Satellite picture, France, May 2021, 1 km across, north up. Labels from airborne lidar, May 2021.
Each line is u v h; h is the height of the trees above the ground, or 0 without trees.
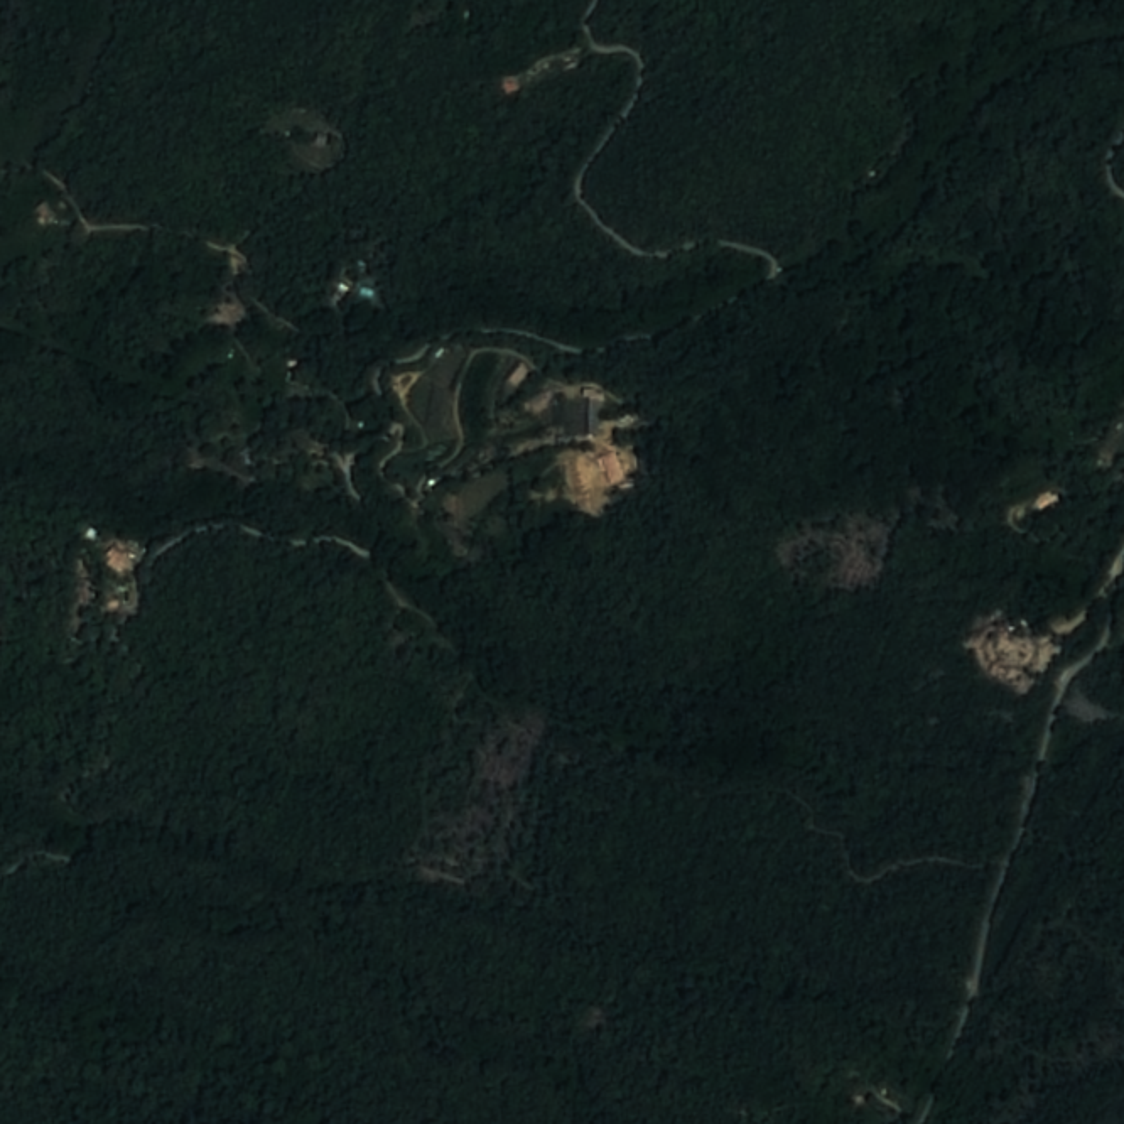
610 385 11
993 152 10
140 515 15
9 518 11
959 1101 7
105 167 12
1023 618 8
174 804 14
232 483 11
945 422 16
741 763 19
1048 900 10
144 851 15
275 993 12
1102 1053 18
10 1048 10
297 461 10
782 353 16
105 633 12
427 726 12
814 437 21
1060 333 23
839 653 7
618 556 13
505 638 19
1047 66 13
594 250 14
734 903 10
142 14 7
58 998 17
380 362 12
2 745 16
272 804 15
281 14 6
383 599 16
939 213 14
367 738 10
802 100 6
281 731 12
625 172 7
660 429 15
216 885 15
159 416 13
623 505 11
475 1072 19
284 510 18
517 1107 13
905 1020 15
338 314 22
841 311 12
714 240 13
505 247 12
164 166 8
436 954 13
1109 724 12
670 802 8
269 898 16
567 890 14
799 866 12
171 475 12
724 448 20
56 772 14
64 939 10
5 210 9
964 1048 10
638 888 16
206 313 7
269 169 10
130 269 6
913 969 11
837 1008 17
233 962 13
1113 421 8
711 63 10
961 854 8
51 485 13
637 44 14
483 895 16
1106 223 16
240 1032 8
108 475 16
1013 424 10
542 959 9
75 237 10
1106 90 15
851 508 16
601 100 10
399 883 8
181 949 13
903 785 12
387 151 9
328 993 9
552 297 23
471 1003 19
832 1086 10
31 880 10
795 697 18
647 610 13
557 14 7
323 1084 8
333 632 11
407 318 21
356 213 13
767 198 10
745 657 15
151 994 14
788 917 13
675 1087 12
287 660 11
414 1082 16
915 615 11
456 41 12
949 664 7
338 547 11
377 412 13
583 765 13
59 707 12
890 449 22
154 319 9
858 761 15
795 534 14
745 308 13
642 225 10
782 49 8
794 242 11
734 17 10
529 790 12
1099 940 10
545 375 9
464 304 25
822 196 10
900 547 15
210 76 7
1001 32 14
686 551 9
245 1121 11
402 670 11
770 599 12
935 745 8
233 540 11
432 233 16
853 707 13
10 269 12
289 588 13
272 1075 13
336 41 11
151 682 12
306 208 12
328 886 9
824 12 7
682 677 12
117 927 13
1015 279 16
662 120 7
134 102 7
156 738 12
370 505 11
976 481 19
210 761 15
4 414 14
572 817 13
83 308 10
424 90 8
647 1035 15
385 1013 17
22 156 0
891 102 12
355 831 9
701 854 11
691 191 12
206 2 7
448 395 0
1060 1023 14
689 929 15
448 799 7
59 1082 19
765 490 16
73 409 11
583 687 19
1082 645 15
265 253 9
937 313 18
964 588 11
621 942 7
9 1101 10
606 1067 14
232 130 8
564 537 16
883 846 13
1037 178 17
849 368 22
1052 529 14
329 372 13
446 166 8
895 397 22
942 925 14
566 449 9
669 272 18
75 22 7
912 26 18
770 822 8
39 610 13
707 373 11
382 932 16
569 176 12
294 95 12
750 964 15
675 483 15
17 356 18
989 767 12
